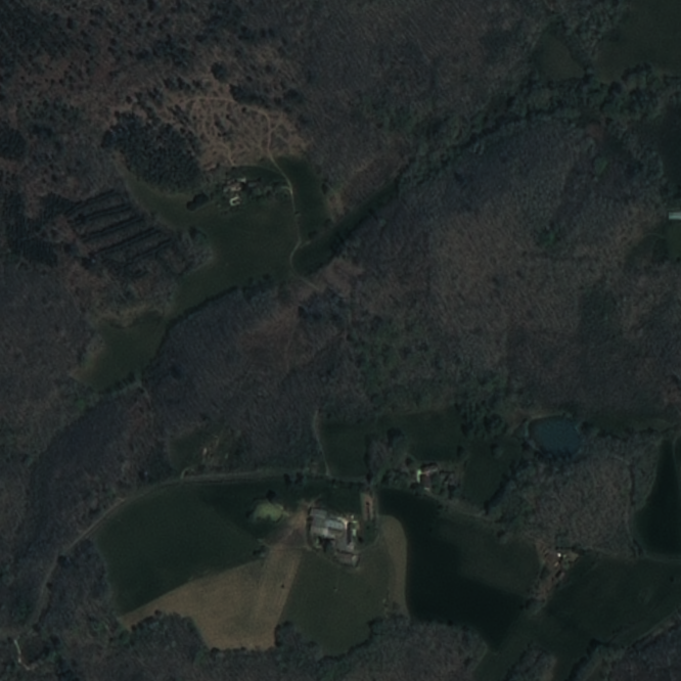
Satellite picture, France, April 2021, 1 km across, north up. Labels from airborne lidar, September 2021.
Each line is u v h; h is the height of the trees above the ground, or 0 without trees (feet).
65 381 58
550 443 0
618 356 30
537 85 52
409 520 0
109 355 0
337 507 0
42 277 44
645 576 0
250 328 54
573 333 22
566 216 48
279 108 71
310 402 53
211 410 48
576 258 63
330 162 66
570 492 70
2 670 18
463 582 0
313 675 66
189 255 69
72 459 44
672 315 57
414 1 53
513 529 60
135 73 30
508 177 61
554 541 55
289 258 0
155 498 0
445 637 43
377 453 75
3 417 46
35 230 28
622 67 0
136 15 24
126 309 80
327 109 50
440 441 0
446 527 0
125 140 94
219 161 0
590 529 64
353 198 30
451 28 63
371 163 72
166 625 60
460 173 50
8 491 62
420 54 61
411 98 56
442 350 36
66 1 38
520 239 60
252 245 0
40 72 34
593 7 43
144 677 56
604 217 58
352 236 32
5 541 47
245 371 20
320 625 0
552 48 0
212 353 53
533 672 53
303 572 0
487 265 54
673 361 52
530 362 26
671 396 35
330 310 62
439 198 58
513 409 78
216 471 41
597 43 20
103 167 75
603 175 44
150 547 0
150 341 0
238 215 0
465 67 56
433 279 51
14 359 30
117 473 59
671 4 0
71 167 38
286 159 0
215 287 0
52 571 43
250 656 46
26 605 39
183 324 54
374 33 72
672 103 34
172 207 0
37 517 41
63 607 56
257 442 55
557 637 0
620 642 0
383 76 19
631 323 70
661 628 0
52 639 62
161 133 73
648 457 64
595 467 77
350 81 65
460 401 60
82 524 39
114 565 0
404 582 0
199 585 0
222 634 0
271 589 0
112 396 52
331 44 64
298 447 59
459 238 60
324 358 22
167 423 50
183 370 52
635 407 41
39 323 38
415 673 47
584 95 76
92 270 85
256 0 57
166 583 0
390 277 52
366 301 47
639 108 70
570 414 28
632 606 0
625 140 58
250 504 0
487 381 56
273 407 50
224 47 43
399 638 62
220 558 0
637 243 0
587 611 0
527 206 69
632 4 0
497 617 0
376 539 0
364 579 0
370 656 44
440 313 74
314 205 0
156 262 36
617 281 62
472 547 0
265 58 55
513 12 67
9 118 31
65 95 22
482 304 49
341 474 0
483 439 56
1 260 26
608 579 0
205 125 0
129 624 0
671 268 57
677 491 0
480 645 50
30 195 21
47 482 48
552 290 61
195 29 38
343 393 66
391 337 70
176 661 61
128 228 37
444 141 78
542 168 72
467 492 0
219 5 32
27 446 51
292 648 58
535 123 65
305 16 51
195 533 0
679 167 0
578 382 27
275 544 0
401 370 49
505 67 60
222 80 77
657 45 0
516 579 0
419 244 31
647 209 73
